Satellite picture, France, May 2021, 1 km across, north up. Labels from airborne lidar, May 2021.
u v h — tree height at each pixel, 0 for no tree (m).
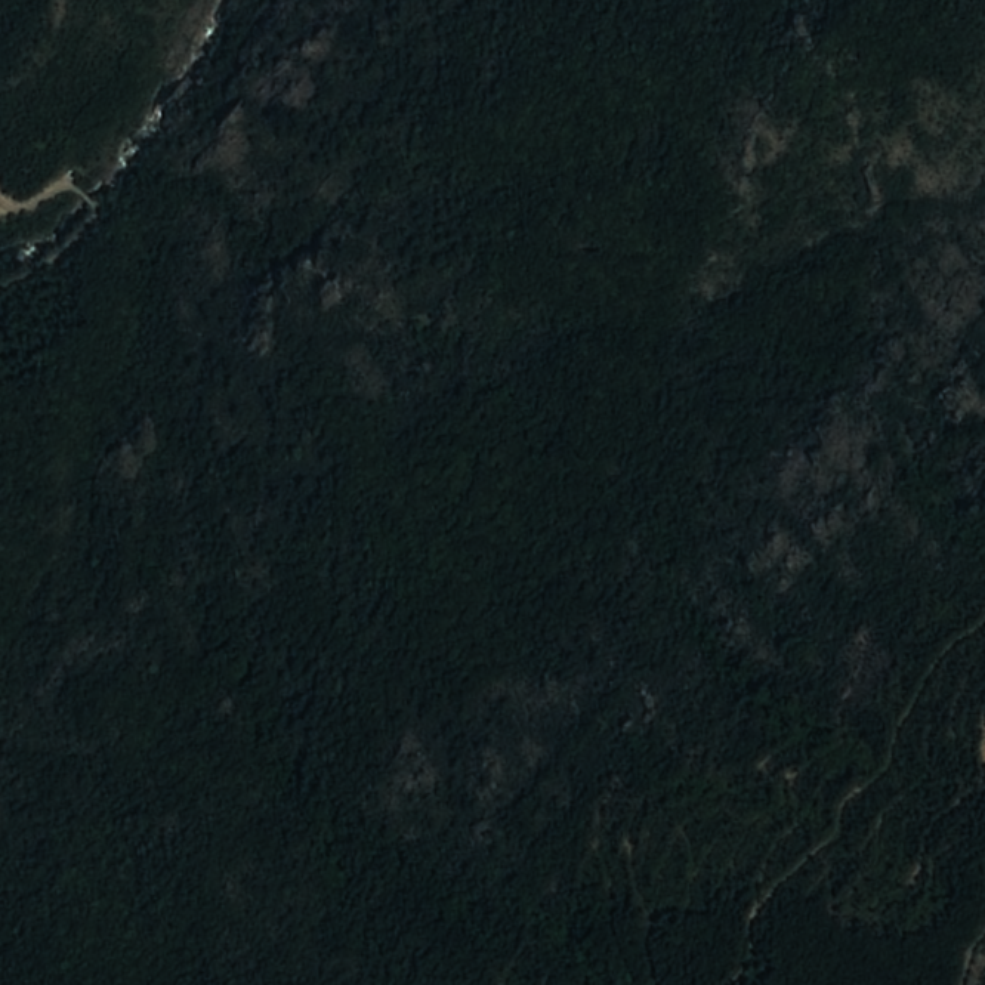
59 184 0
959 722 10
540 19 16
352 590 7
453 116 13
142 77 8
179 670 13
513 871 7
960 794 8
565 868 9
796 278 19
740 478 6
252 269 16
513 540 18
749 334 13
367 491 8
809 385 12
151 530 11
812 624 9
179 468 8
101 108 11
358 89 6
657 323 18
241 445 12
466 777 7
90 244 11
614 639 8
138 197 11
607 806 10
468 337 5
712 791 7
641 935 17
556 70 12
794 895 15
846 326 9
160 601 8
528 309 9
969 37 5
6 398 17
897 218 13
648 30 11
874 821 14
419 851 12
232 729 14
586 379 17
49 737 10
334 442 9
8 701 5
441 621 11
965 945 7
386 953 17
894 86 7
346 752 15
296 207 12
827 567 7
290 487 7
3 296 17
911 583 8
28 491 12
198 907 16
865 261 15
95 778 10
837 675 8
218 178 10
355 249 7
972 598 9
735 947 20
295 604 10
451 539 20
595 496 15
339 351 6
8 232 8
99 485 7
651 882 13
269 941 6
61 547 7
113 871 9
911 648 11
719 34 7
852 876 13
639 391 16
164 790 10
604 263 23
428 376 5
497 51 8
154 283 18
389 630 6
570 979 12
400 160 11
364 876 11
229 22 7
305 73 0
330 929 15
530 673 6
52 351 14
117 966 18
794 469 0
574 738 10
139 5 8
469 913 17
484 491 21
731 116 8
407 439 13
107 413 20
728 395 15
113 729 6
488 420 16
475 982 8
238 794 10
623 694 9
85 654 6
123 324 11
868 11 15
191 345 7
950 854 6
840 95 7
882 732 11
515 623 17
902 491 9
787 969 21
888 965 18
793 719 18
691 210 16
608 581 5
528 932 11
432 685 9
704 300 10
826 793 7
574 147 16
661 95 7
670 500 10
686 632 8
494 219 11
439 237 10
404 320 9
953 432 14
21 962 18
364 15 6
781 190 9
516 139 11
